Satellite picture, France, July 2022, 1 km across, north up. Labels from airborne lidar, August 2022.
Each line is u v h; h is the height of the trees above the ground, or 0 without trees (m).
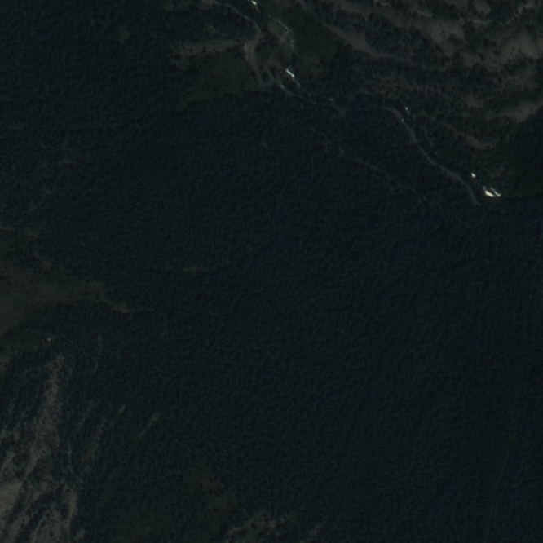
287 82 13
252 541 0
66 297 0
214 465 7
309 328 12
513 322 24
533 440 22
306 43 0
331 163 29
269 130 12
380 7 12
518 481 24
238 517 7
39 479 10
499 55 6
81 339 11
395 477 13
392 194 8
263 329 23
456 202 21
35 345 0
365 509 8
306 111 21
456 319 25
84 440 9
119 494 7
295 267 24
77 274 9
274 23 0
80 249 9
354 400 22
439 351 21
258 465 8
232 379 15
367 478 8
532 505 21
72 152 6
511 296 26
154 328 15
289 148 21
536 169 26
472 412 19
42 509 7
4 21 22
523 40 0
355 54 15
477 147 7
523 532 16
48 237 7
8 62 22
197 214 17
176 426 10
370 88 12
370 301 24
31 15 15
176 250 8
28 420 9
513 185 15
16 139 27
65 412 11
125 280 9
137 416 10
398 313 28
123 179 21
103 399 10
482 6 0
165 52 16
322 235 19
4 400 9
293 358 26
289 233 28
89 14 24
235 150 21
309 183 23
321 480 8
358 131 13
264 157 14
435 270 28
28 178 24
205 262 20
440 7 16
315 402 31
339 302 16
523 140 25
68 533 0
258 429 15
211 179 26
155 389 12
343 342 30
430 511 33
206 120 21
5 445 13
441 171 15
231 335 21
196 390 17
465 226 9
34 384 8
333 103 7
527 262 21
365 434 18
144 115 28
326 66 14
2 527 0
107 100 13
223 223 23
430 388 14
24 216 9
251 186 14
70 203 12
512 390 13
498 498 6
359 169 29
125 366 12
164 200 24
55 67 26
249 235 22
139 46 26
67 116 18
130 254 13
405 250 28
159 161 19
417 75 11
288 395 22
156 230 16
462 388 27
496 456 14
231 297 20
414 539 12
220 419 14
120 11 10
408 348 33
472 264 24
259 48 8
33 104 30
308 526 12
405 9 15
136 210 23
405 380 27
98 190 12
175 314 27
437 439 27
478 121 8
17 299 0
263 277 27
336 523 12
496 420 14
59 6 18
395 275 30
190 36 11
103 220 10
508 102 17
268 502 12
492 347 23
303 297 24
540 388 20
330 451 16
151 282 10
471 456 15
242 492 12
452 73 14
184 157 14
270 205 18
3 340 0
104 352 11
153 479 8
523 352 13
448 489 16
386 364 24
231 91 0
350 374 23
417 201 22
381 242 22
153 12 18
